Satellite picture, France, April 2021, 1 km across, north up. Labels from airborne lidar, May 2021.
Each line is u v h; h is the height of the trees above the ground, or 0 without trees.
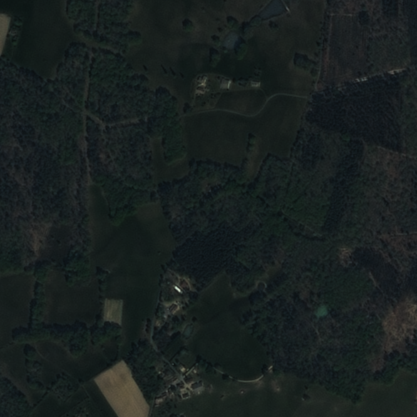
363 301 15
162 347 19
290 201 12
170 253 0
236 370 0
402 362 13
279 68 0
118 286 0
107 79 19
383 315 13
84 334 22
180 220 11
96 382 0
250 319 19
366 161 13
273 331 20
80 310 0
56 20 0
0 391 18
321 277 18
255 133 0
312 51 0
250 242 17
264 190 23
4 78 21
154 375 9
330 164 12
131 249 0
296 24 0
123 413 0
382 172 11
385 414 0
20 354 0
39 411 0
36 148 23
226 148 0
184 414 0
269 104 0
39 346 0
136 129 19
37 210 26
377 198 12
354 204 15
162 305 10
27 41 0
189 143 0
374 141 20
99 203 0
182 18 0
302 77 0
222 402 0
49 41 0
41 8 0
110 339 15
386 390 0
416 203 9
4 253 20
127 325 0
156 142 0
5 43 0
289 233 28
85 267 24
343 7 11
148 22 0
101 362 0
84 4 18
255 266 26
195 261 20
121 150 13
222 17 0
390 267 10
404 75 8
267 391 0
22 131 17
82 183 9
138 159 26
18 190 25
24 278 0
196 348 0
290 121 0
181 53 0
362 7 9
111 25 11
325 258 17
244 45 21
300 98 0
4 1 0
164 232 0
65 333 25
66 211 17
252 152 14
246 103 0
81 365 0
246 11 0
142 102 17
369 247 8
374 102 17
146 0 0
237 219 17
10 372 0
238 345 0
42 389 15
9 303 0
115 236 0
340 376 22
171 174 0
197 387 0
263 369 0
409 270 6
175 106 21
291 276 17
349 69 0
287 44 0
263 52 0
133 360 11
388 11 17
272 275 0
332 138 12
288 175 14
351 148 17
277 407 0
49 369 0
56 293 0
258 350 0
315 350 13
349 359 27
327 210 14
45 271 22
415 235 7
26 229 16
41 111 14
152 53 0
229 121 0
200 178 23
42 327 19
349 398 22
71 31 0
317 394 0
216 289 0
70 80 13
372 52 13
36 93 13
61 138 16
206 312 0
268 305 14
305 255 12
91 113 13
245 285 21
